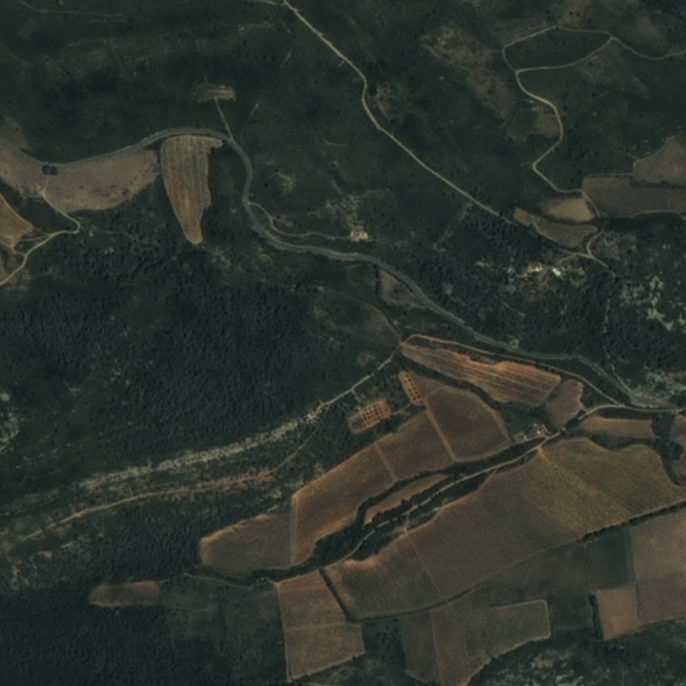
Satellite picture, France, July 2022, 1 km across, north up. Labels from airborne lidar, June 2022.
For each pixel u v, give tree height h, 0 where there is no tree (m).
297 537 0
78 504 0
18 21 0
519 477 0
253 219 0
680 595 0
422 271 11
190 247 8
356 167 0
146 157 0
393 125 9
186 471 0
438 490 6
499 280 9
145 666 12
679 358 8
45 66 0
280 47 0
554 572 0
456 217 0
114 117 0
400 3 0
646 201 0
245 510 8
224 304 12
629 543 0
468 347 0
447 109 0
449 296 7
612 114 0
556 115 0
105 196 0
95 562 9
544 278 0
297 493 0
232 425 11
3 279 0
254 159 0
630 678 0
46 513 0
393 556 0
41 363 6
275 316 8
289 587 0
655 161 0
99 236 0
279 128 0
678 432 0
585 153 10
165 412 10
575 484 0
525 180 0
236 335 7
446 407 0
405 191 0
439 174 0
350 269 0
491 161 0
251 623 0
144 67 6
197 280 12
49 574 7
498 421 0
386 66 8
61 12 0
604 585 0
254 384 6
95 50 0
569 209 0
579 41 0
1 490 6
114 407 7
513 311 8
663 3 9
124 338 5
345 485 0
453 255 6
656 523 0
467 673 0
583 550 0
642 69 0
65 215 0
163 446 10
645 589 0
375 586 0
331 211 0
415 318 0
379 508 0
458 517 0
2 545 0
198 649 6
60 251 8
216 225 8
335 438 8
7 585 7
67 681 9
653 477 0
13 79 0
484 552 0
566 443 0
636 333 10
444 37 0
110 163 0
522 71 0
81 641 7
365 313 0
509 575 0
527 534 0
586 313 16
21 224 0
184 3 0
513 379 0
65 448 0
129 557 11
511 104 0
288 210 0
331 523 0
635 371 0
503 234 10
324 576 7
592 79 0
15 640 7
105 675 6
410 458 0
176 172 0
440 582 0
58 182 0
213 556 0
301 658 0
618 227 6
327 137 0
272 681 8
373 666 0
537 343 8
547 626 0
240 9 0
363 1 0
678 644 0
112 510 0
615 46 0
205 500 6
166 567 10
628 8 0
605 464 0
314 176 0
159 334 7
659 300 0
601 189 0
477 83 0
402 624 0
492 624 0
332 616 0
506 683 0
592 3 0
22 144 0
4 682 8
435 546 0
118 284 6
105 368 5
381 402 0
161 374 10
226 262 0
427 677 0
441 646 0
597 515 0
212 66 8
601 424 0
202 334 9
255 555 0
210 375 8
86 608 7
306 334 8
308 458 6
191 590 0
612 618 0
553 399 0
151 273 14
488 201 7
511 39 0
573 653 0
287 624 0
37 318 12
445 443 0
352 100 6
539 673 0
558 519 0
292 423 0
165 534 7
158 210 7
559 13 0
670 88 0
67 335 8
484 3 0
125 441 8
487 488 0
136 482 0
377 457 0
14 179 0
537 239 13
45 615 9
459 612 0
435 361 0
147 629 7
